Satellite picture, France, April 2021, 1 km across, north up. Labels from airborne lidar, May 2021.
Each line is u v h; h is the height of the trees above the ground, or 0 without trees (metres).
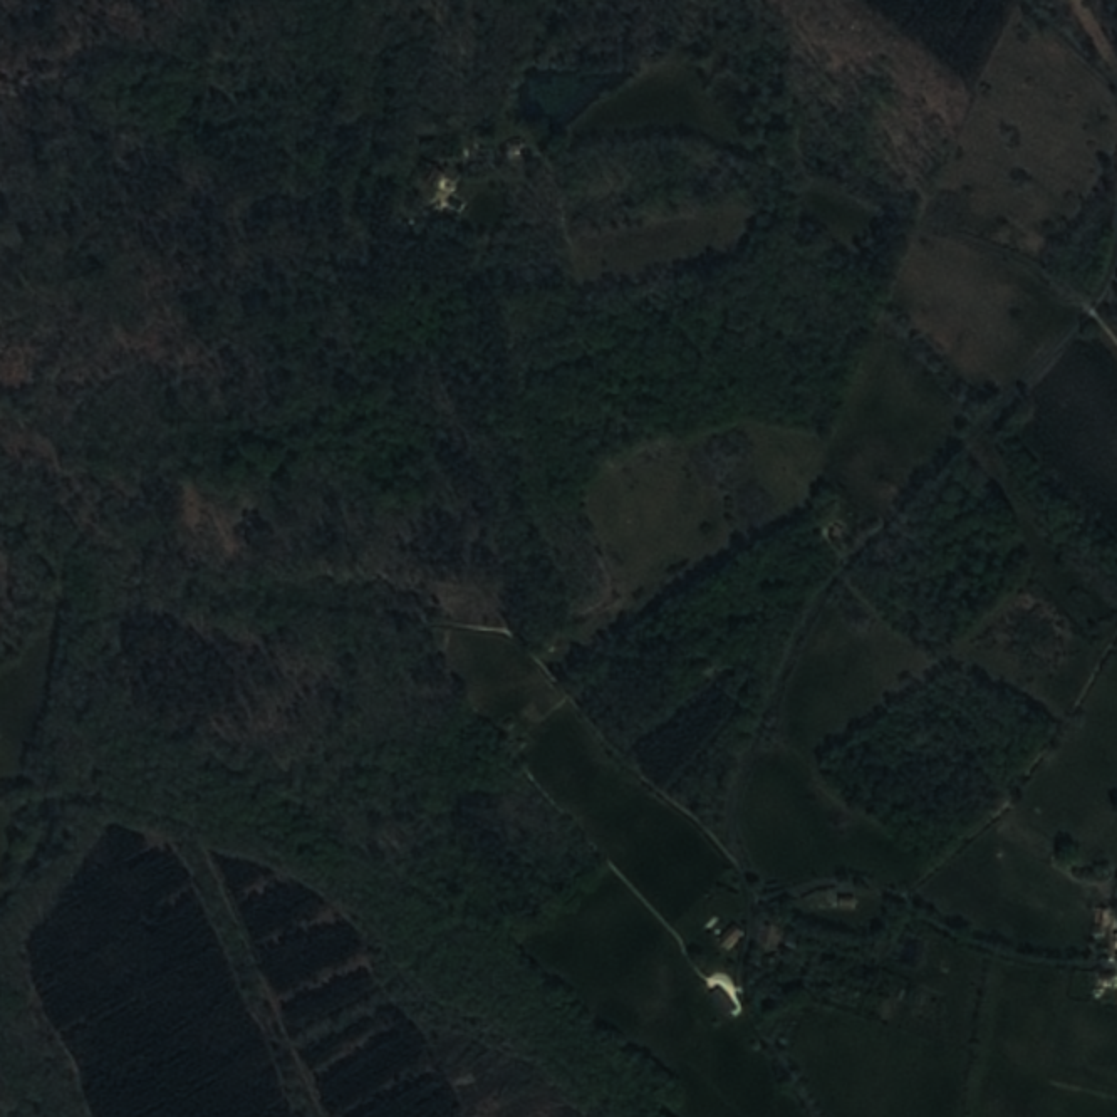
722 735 14
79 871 11
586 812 0
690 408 24
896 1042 0
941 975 0
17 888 18
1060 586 0
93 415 10
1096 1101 0
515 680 0
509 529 16
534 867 13
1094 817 0
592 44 7
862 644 0
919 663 0
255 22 16
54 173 21
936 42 11
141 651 27
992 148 0
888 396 0
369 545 14
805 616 23
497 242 11
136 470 20
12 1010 18
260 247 28
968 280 0
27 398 15
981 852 0
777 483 0
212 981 10
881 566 21
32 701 0
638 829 0
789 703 0
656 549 0
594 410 25
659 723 15
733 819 0
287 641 21
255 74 8
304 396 17
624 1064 17
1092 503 6
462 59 9
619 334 22
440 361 16
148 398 12
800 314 22
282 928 11
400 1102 13
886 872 0
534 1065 6
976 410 15
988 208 0
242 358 8
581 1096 16
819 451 0
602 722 23
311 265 9
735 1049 0
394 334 19
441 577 19
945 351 8
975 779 20
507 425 20
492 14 12
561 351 17
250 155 27
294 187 17
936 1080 0
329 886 17
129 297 13
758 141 19
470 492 20
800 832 0
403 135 13
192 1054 11
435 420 18
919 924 8
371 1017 7
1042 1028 0
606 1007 0
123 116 16
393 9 14
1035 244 0
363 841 13
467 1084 0
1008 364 0
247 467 26
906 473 0
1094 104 0
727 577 24
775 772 0
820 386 20
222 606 14
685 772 14
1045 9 21
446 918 23
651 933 0
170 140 13
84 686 24
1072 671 0
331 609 12
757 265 26
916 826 20
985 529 16
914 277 0
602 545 7
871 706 0
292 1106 12
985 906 0
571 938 0
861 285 26
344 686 11
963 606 23
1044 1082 0
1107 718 0
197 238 20
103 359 5
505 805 26
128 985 8
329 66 19
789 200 28
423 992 18
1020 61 0
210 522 17
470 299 23
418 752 19
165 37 11
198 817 19
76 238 25
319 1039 10
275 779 17
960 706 18
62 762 15
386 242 25
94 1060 8
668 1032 0
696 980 0
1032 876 0
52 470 11
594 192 16
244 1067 9
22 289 20
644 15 6
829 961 10
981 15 15
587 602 16
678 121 0
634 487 0
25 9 6
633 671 26
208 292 10
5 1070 15
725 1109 0
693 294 24
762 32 17
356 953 12
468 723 15
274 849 20
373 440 18
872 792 17
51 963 11
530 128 11
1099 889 0
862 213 0
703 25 9
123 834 10
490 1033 12
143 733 21
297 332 14
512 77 15
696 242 0
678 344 28
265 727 10
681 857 0
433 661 9
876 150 22
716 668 16
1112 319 15
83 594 24
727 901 0
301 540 10
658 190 18
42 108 24
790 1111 0
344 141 20
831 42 0
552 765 0
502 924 20
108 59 11
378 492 22
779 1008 12
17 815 12
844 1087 0
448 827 16
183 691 21
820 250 25
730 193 16
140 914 10
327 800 11
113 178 19
